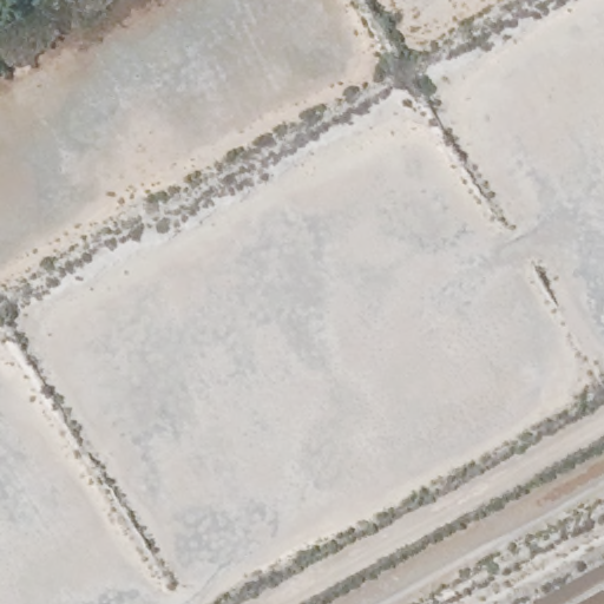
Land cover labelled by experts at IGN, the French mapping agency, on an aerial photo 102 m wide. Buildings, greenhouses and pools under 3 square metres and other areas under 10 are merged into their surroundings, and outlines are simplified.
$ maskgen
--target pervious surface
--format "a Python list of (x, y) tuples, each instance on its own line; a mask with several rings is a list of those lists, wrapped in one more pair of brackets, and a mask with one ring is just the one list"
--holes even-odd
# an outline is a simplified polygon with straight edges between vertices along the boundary
[(604, 526), (595, 526), (590, 533), (569, 538), (552, 552), (536, 557), (526, 550), (524, 536), (564, 519), (578, 503), (590, 503), (604, 495), (604, 453), (590, 458), (587, 462), (573, 467), (554, 481), (531, 491), (529, 495), (505, 505), (500, 512), (493, 512), (491, 517), (470, 524), (465, 531), (458, 531), (444, 538), (441, 543), (429, 545), (418, 557), (399, 564), (392, 571), (385, 571), (380, 578), (363, 583), (361, 587), (335, 599), (333, 604), (408, 604), (415, 602), (420, 595), (427, 595), (432, 585), (453, 580), (460, 569), (474, 564), (488, 552), (500, 552), (495, 559), (498, 573), (493, 585), (486, 590), (477, 590), (458, 604), (604, 604), (604, 580), (578, 592), (576, 597), (569, 592), (566, 583), (604, 564)]
[(342, 583), (344, 578), (399, 552), (401, 547), (418, 543), (436, 529), (455, 521), (458, 517), (474, 512), (488, 500), (526, 484), (538, 472), (547, 470), (550, 465), (564, 460), (566, 455), (580, 448), (587, 448), (599, 436), (604, 436), (604, 406), (592, 415), (585, 415), (580, 422), (573, 422), (566, 429), (545, 436), (526, 453), (514, 455), (495, 470), (470, 479), (465, 486), (439, 498), (436, 503), (396, 519), (380, 533), (356, 540), (342, 552), (311, 564), (290, 580), (283, 580), (278, 587), (269, 587), (260, 597), (248, 599), (243, 604), (302, 604), (314, 595), (326, 592), (335, 583)]
[(451, 26), (458, 26), (453, 17), (467, 19), (470, 14), (498, 0), (378, 0), (387, 12), (401, 12), (399, 31), (403, 33), (406, 45), (411, 50), (427, 50), (432, 40), (436, 40)]
[[(179, 234), (170, 229), (168, 219), (160, 219), (156, 224), (156, 231), (144, 231), (139, 241), (120, 243), (97, 255), (92, 250), (85, 250), (80, 257), (66, 262), (61, 267), (61, 283), (57, 278), (47, 278), (47, 285), (52, 288), (50, 295), (45, 295), (42, 300), (31, 300), (31, 304), (19, 311), (17, 326), (21, 333), (26, 333), (28, 347), (38, 356), (50, 385), (64, 396), (64, 403), (73, 411), (73, 418), (80, 422), (85, 436), (83, 444), (76, 444), (71, 429), (64, 425), (52, 401), (42, 394), (42, 387), (33, 368), (26, 363), (19, 344), (0, 342), (0, 604), (210, 604), (222, 592), (236, 590), (262, 573), (288, 566), (288, 562), (297, 552), (328, 543), (340, 531), (356, 529), (361, 521), (373, 521), (375, 514), (396, 507), (411, 493), (425, 488), (432, 479), (448, 477), (462, 465), (479, 460), (484, 453), (500, 448), (507, 441), (514, 441), (531, 425), (571, 406), (585, 385), (599, 385), (604, 375), (604, 0), (571, 0), (557, 12), (547, 12), (547, 17), (543, 19), (521, 19), (519, 26), (507, 28), (512, 33), (512, 40), (500, 40), (498, 35), (493, 35), (488, 52), (472, 50), (455, 59), (429, 64), (427, 76), (432, 78), (436, 94), (441, 99), (439, 111), (429, 111), (422, 94), (396, 90), (385, 101), (370, 106), (368, 113), (354, 116), (347, 125), (330, 127), (319, 139), (304, 144), (297, 153), (281, 158), (276, 165), (269, 165), (269, 182), (245, 186), (243, 191), (236, 191), (224, 198), (215, 198), (210, 208), (201, 208), (191, 219), (186, 219)], [(491, 219), (488, 201), (479, 193), (470, 175), (462, 170), (460, 158), (444, 142), (441, 132), (448, 127), (467, 151), (470, 160), (477, 163), (479, 172), (488, 179), (505, 217), (517, 224), (514, 231)], [(99, 474), (87, 460), (92, 453), (97, 453), (99, 460), (106, 462), (109, 474), (127, 495), (139, 521), (156, 540), (158, 552), (149, 552), (149, 547), (132, 529), (127, 512), (120, 507), (113, 493), (104, 493), (104, 484), (99, 484)]]
[(203, 168), (222, 160), (231, 149), (250, 146), (260, 134), (267, 134), (281, 123), (300, 120), (302, 111), (316, 104), (335, 101), (342, 94), (347, 97), (347, 101), (354, 101), (354, 97), (359, 94), (356, 85), (375, 73), (375, 54), (394, 52), (396, 47), (389, 42), (382, 26), (373, 33), (373, 38), (366, 35), (359, 12), (352, 9), (349, 0), (160, 0), (160, 5), (151, 2), (146, 7), (132, 9), (132, 14), (123, 21), (120, 28), (109, 31), (104, 42), (94, 45), (87, 52), (68, 47), (50, 50), (40, 57), (40, 68), (21, 66), (14, 71), (12, 80), (0, 76), (0, 283), (19, 285), (19, 278), (38, 269), (40, 264), (47, 271), (54, 269), (54, 255), (59, 250), (66, 250), (68, 245), (83, 243), (80, 236), (104, 229), (104, 222), (111, 217), (132, 219), (139, 217), (144, 210), (156, 210), (158, 203), (146, 203), (149, 193), (184, 184), (189, 172), (201, 172)]
[(455, 592), (472, 587), (472, 583), (484, 580), (488, 571), (481, 571), (453, 585), (453, 590), (444, 590), (441, 599), (451, 599)]

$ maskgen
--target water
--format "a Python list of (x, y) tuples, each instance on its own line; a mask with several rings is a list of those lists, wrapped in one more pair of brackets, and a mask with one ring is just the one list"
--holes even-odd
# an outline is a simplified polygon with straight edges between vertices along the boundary
[(604, 580), (604, 564), (566, 583), (569, 592), (576, 597), (578, 592)]

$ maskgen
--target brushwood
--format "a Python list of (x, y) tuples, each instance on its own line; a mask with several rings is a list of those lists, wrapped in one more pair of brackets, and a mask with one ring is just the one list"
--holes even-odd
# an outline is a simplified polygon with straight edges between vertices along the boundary
[(418, 543), (401, 547), (399, 552), (344, 578), (342, 583), (335, 583), (326, 592), (314, 595), (302, 604), (333, 604), (335, 599), (361, 587), (363, 583), (380, 578), (385, 571), (392, 571), (399, 564), (418, 557), (429, 545), (441, 543), (444, 538), (458, 531), (465, 531), (470, 524), (491, 517), (493, 512), (500, 512), (505, 505), (529, 495), (531, 491), (554, 481), (573, 467), (587, 462), (590, 458), (604, 453), (604, 436), (599, 436), (587, 448), (580, 448), (566, 455), (564, 460), (550, 465), (547, 470), (538, 472), (526, 484), (488, 500), (474, 512), (458, 517), (455, 521), (436, 529)]
[(144, 231), (156, 231), (156, 224), (160, 219), (168, 219), (170, 229), (179, 234), (186, 219), (191, 219), (201, 208), (210, 208), (215, 198), (224, 198), (236, 191), (243, 191), (245, 186), (269, 182), (269, 165), (276, 165), (281, 158), (297, 153), (304, 144), (319, 139), (330, 127), (347, 125), (354, 116), (368, 113), (370, 106), (385, 101), (396, 90), (422, 94), (429, 111), (439, 111), (441, 99), (436, 94), (432, 78), (427, 76), (429, 64), (455, 59), (472, 50), (488, 52), (493, 35), (498, 35), (500, 40), (512, 40), (512, 33), (507, 28), (519, 26), (521, 19), (543, 19), (547, 17), (547, 12), (557, 12), (571, 0), (498, 0), (470, 14), (467, 19), (453, 17), (458, 26), (451, 26), (436, 40), (432, 40), (427, 50), (411, 50), (406, 45), (403, 33), (399, 31), (401, 12), (387, 12), (378, 0), (349, 0), (352, 9), (359, 12), (366, 35), (373, 38), (373, 33), (382, 26), (389, 42), (396, 47), (394, 52), (375, 54), (375, 73), (356, 85), (359, 94), (354, 97), (354, 101), (347, 101), (347, 97), (342, 94), (335, 101), (316, 104), (302, 111), (300, 120), (281, 123), (267, 134), (260, 134), (250, 146), (231, 149), (222, 160), (203, 168), (201, 172), (189, 172), (184, 184), (149, 193), (146, 203), (158, 203), (156, 210), (144, 210), (139, 217), (132, 219), (111, 217), (104, 222), (104, 229), (80, 236), (83, 243), (68, 245), (66, 250), (59, 250), (54, 255), (54, 269), (47, 271), (40, 264), (38, 269), (19, 278), (19, 285), (0, 283), (0, 342), (19, 344), (26, 363), (33, 368), (42, 387), (42, 394), (52, 401), (64, 425), (71, 429), (76, 444), (83, 444), (85, 436), (80, 422), (73, 418), (73, 411), (64, 403), (64, 396), (50, 385), (38, 356), (28, 347), (26, 333), (21, 333), (17, 326), (19, 311), (31, 304), (31, 300), (42, 300), (45, 295), (50, 295), (52, 288), (47, 285), (47, 278), (57, 278), (61, 283), (61, 267), (66, 262), (80, 257), (85, 250), (92, 250), (97, 255), (120, 243), (139, 241)]
[(595, 526), (604, 526), (604, 495), (590, 503), (578, 503), (564, 519), (524, 536), (526, 550), (536, 557), (552, 552), (569, 538), (590, 533)]
[(342, 552), (356, 540), (380, 533), (396, 519), (436, 503), (439, 498), (465, 486), (470, 479), (495, 470), (514, 455), (526, 453), (545, 436), (566, 429), (573, 422), (580, 422), (585, 415), (592, 415), (604, 406), (604, 375), (599, 385), (585, 385), (571, 406), (531, 425), (514, 441), (507, 441), (500, 448), (484, 453), (479, 460), (462, 465), (448, 477), (432, 479), (425, 488), (411, 493), (396, 507), (375, 514), (373, 521), (361, 521), (356, 529), (340, 531), (328, 543), (297, 552), (288, 562), (288, 566), (262, 573), (236, 590), (222, 592), (210, 604), (243, 604), (248, 599), (260, 597), (269, 587), (278, 587), (283, 580), (290, 580), (311, 564)]
[(479, 193), (488, 201), (491, 219), (514, 231), (517, 224), (505, 217), (488, 179), (479, 172), (477, 163), (470, 160), (467, 151), (448, 127), (441, 132), (444, 142), (460, 158), (462, 170), (470, 175)]
[[(408, 604), (458, 604), (477, 590), (486, 590), (493, 585), (498, 573), (495, 559), (500, 552), (488, 552), (474, 564), (460, 569), (453, 580), (432, 585), (427, 595), (420, 595), (415, 602)], [(451, 599), (441, 599), (444, 590), (453, 590), (453, 585), (481, 571), (488, 571), (484, 580), (472, 583), (472, 587), (455, 592)]]
[(99, 460), (97, 453), (92, 453), (87, 460), (99, 474), (99, 484), (104, 484), (104, 493), (113, 493), (120, 507), (127, 512), (132, 529), (149, 547), (149, 552), (158, 552), (156, 540), (139, 521), (127, 495), (109, 474), (106, 462)]
[(160, 0), (0, 0), (0, 76), (12, 80), (14, 71), (21, 66), (40, 68), (40, 57), (50, 50), (68, 47), (87, 52), (94, 45), (104, 42), (109, 31), (120, 28), (123, 21), (132, 14), (132, 9), (146, 7), (151, 2), (160, 5)]

